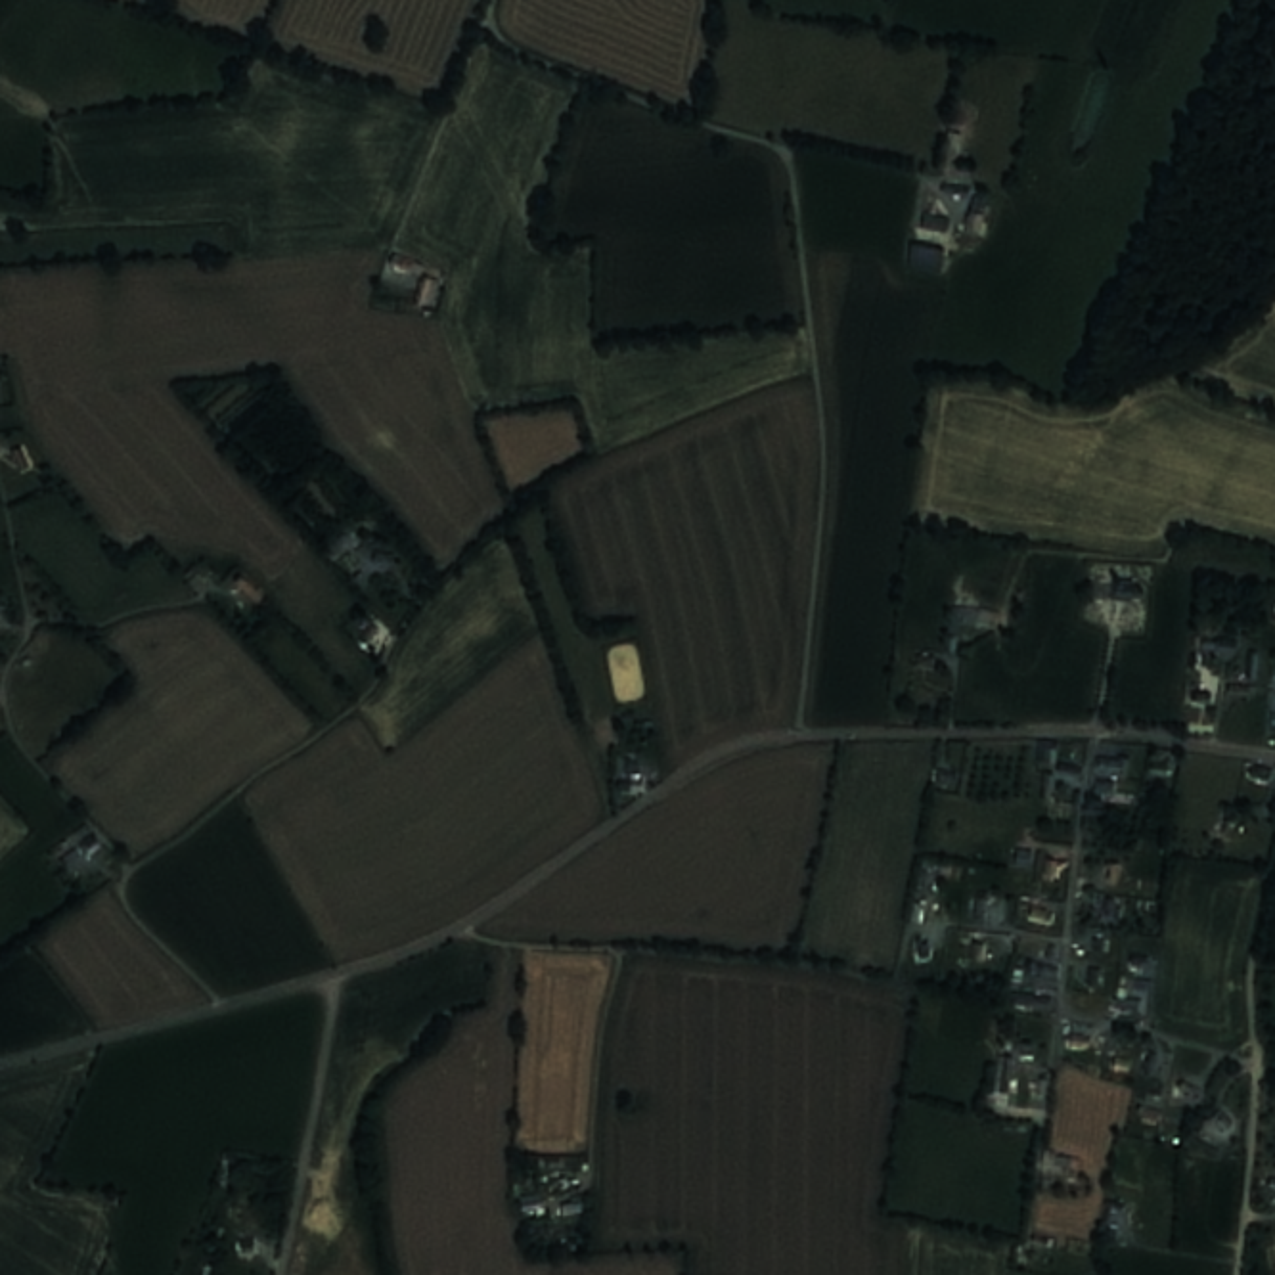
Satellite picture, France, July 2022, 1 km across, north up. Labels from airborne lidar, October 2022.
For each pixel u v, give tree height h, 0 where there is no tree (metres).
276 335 0
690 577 0
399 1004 0
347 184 0
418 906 0
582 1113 0
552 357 0
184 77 0
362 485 9
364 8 0
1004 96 0
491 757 0
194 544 0
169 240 0
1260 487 0
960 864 7
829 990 0
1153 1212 0
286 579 0
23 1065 0
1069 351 0
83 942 0
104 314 0
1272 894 18
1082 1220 0
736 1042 0
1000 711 0
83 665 0
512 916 0
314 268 0
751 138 0
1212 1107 6
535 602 15
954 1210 0
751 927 0
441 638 0
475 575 0
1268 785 0
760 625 0
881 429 0
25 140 0
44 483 11
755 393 0
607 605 0
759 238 0
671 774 0
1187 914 0
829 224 0
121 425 0
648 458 0
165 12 17
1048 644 0
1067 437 0
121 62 0
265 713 0
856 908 0
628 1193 0
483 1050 0
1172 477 0
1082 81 0
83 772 0
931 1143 0
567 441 0
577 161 0
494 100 0
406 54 0
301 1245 0
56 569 0
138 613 0
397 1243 0
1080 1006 0
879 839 0
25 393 0
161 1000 0
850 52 0
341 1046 0
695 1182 0
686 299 0
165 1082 0
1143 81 0
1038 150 0
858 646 0
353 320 0
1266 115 25
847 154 16
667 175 0
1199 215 22
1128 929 7
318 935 0
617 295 0
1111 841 8
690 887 0
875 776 0
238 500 0
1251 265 24
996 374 15
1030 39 0
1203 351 26
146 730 0
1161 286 15
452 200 0
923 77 0
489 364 0
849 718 0
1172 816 14
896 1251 0
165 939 0
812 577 0
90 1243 0
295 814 0
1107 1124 0
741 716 0
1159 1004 0
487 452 8
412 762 0
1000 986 15
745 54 0
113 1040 0
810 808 0
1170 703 0
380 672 12
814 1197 0
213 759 0
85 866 0
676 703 0
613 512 0
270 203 0
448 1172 0
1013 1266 8
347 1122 0
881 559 0
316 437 10
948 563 0
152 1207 0
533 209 15
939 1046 0
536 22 0
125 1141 0
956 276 0
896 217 0
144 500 0
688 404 0
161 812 0
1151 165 0
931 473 0
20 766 0
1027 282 0
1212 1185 0
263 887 0
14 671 0
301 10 0
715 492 0
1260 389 0
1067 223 0
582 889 0
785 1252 0
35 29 0
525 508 22
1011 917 0
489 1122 0
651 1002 0
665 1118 0
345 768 0
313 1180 0
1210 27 0
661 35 0
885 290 0
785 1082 0
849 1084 0
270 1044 0
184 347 0
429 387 0
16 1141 0
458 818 0
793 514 0
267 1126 0
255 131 0
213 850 0
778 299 0
